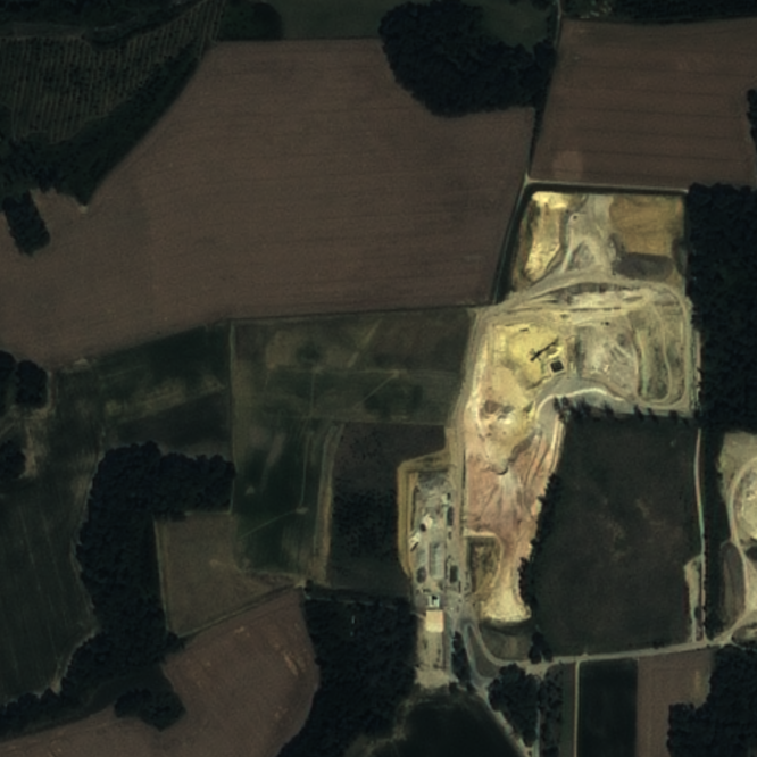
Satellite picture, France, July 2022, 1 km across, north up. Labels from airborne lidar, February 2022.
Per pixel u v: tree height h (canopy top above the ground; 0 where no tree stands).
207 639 0
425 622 0
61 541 0
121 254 0
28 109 0
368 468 0
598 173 0
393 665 12
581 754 0
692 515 0
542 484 0
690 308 0
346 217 0
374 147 0
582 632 0
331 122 0
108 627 21
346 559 0
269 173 0
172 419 0
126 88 0
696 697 0
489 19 0
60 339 0
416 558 0
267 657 0
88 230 0
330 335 0
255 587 0
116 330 0
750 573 0
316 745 13
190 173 0
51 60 0
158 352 0
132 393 0
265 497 0
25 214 25
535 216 0
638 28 0
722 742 22
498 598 0
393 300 0
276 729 0
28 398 21
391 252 0
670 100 0
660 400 0
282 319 0
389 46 22
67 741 0
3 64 0
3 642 0
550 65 20
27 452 0
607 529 0
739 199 22
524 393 0
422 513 0
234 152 0
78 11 23
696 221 17
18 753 0
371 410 0
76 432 0
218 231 0
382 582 0
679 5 8
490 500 0
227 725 0
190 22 0
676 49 0
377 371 0
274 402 0
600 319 0
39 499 0
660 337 0
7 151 0
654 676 0
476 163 0
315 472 0
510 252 0
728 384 22
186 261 0
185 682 0
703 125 0
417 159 0
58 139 0
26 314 0
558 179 0
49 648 0
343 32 0
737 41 0
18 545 0
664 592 0
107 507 20
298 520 0
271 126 0
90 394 0
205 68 0
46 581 0
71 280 0
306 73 0
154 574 8
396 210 0
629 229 0
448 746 0
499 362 0
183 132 0
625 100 0
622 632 0
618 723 0
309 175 0
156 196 0
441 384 0
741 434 0
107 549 25
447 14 24
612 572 0
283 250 0
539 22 0
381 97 0
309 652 0
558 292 0
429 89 26
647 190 0
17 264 0
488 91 19
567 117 0
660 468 0
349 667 8
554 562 0
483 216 0
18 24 0
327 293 0
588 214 0
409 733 0
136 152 0
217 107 0
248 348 0
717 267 23
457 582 0
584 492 0
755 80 0
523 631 0
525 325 0
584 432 0
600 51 0
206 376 0
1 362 17
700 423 22
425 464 0
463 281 0
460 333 0
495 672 0
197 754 0
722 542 0
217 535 0
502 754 0
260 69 0
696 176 0
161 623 18
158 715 11
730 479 0
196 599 0
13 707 10
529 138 0
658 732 0
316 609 10
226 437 0
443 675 0
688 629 0
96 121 0
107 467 19
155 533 11
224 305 0
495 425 0
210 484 19
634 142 0
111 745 0
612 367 0
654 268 0
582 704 0
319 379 0
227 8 0
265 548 0
